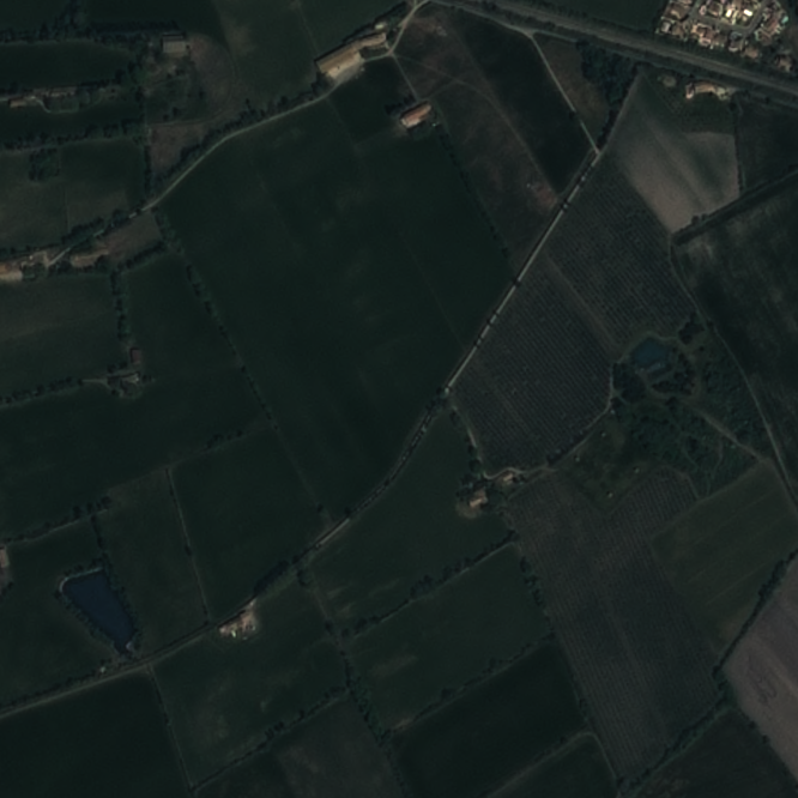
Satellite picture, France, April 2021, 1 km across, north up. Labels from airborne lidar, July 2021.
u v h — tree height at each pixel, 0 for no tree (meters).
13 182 0
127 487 0
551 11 7
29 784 0
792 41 0
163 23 0
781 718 0
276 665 0
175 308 0
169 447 0
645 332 0
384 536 0
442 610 0
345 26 0
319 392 0
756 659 0
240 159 0
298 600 0
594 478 0
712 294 0
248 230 0
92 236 11
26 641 0
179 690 0
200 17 0
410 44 0
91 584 0
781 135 0
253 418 0
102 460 0
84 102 20
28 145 11
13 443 0
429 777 0
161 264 0
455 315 0
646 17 0
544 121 0
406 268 0
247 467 0
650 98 0
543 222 0
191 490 0
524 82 0
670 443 12
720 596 0
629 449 0
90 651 0
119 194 0
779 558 0
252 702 0
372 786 0
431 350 0
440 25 0
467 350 0
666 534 0
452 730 0
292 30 0
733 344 0
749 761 0
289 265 0
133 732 0
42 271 19
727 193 0
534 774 0
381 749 9
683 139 0
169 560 0
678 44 7
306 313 0
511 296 0
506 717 0
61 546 0
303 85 0
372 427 0
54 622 0
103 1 0
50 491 0
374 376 0
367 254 0
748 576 0
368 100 0
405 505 0
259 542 0
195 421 0
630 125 0
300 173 0
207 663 0
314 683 0
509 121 0
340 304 0
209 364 0
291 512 0
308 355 0
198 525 0
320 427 0
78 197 0
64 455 0
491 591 0
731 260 0
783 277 0
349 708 0
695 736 12
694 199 0
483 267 0
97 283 0
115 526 0
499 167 0
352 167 0
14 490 0
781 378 0
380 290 0
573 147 0
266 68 0
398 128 0
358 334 0
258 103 0
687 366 7
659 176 0
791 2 9
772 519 0
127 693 0
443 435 0
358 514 8
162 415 0
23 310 0
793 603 0
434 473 0
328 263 0
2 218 0
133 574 0
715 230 0
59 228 0
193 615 0
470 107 0
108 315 0
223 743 0
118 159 0
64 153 0
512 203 0
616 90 19
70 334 0
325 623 0
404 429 0
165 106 0
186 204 0
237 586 0
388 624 0
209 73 0
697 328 7
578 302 0
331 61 0
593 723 6
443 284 0
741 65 6
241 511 0
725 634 0
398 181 0
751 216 0
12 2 0
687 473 8
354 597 0
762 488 0
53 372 0
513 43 0
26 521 0
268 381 0
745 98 10
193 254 0
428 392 0
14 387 0
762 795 0
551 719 0
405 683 0
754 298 0
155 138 0
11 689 0
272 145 0
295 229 0
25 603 0
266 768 0
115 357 0
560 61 0
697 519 0
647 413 0
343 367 0
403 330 0
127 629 0
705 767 0
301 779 0
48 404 0
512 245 0
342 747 0
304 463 0
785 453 0
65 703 0
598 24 6
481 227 0
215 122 0
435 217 0
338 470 0
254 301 0
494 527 0
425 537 0
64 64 0
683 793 0
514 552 0
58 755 0
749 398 5
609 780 0
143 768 0
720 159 0
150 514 0
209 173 0
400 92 0
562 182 0
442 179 0
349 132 0
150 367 0
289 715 0
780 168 0
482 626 0
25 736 0
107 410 0
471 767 0
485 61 0
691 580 0
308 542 0
